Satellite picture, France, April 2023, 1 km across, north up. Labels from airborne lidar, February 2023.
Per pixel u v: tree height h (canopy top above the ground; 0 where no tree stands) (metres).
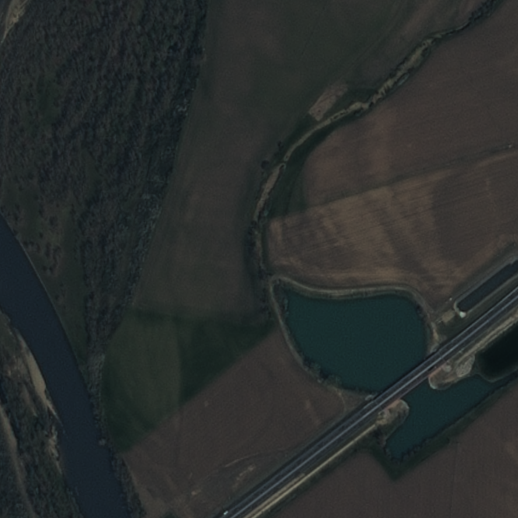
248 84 0
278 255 0
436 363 0
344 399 0
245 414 0
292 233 0
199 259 0
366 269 0
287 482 0
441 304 0
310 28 0
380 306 0
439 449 0
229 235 0
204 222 0
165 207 0
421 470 0
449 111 0
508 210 0
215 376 0
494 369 0
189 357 0
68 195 19
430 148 0
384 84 0
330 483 0
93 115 13
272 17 0
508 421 0
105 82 14
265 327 0
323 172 0
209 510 0
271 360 0
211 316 0
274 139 0
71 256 0
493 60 0
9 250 0
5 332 0
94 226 19
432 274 0
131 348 0
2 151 20
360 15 0
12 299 0
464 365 0
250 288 0
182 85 14
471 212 0
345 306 0
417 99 0
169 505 0
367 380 0
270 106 0
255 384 0
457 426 0
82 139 26
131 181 25
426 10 0
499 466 0
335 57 0
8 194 0
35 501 29
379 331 0
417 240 0
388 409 0
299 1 0
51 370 0
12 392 19
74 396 0
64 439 0
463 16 0
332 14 0
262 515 0
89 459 0
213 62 0
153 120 32
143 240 6
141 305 0
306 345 0
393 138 0
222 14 0
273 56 0
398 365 0
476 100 0
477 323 0
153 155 12
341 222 0
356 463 0
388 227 0
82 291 0
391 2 0
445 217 0
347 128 0
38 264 0
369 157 0
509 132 0
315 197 0
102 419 15
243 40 0
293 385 0
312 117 0
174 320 0
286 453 0
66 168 23
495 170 0
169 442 0
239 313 0
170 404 0
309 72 0
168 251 0
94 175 0
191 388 0
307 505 0
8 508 10
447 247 0
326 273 0
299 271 0
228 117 0
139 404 0
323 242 0
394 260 0
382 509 0
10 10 0
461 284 0
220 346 0
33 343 0
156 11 25
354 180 0
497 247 0
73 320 0
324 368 0
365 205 0
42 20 18
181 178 0
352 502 0
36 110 0
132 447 0
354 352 0
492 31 0
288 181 0
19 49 13
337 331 0
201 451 0
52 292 0
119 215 7
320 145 0
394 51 0
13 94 22
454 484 0
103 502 0
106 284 6
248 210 0
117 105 27
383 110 0
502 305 0
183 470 0
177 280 0
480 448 0
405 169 0
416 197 0
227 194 0
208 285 0
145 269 0
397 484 0
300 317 0
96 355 6
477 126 0
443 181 0
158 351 0
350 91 0
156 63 12
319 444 0
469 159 0
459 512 0
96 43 24
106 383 0
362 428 0
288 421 0
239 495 0
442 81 0
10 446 0
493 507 0
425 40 0
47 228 0
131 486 16
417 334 0
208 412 0
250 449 0
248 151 0
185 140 0
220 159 0
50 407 0
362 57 0
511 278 0
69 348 0
